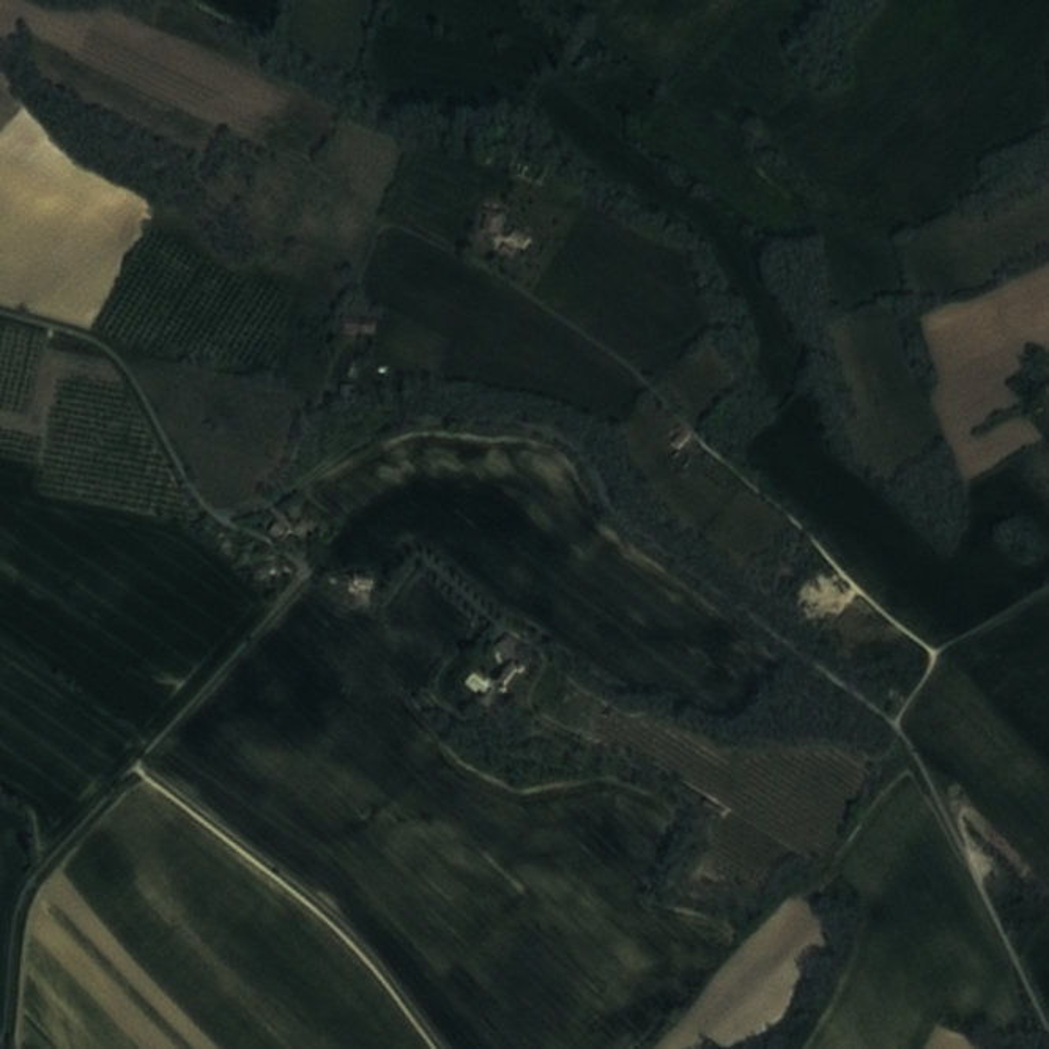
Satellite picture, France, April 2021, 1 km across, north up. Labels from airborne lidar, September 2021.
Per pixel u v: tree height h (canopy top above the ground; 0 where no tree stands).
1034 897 6
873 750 16
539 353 0
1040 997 0
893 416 0
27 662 0
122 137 12
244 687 0
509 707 18
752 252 0
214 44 0
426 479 0
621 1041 0
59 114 22
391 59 0
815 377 20
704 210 0
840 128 0
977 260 0
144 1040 0
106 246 0
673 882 15
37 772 0
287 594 0
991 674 0
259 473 0
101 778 0
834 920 20
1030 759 0
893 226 0
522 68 0
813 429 0
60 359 0
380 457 0
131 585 0
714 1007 0
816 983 17
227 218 13
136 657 0
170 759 0
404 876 0
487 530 0
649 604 0
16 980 0
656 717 14
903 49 0
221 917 0
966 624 0
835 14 16
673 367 0
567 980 0
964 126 0
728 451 14
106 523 0
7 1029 0
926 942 0
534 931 0
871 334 0
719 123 0
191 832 0
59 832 0
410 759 0
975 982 0
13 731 0
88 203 0
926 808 0
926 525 9
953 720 0
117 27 0
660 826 0
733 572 14
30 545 0
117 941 0
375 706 0
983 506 0
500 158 13
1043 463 0
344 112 18
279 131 0
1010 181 14
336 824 0
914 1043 0
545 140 17
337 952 0
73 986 0
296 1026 0
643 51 0
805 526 8
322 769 0
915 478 15
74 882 0
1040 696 0
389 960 0
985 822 0
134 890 0
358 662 0
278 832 0
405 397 24
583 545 0
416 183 0
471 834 0
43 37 0
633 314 0
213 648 0
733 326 14
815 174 0
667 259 0
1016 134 0
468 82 0
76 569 0
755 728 20
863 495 0
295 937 0
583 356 0
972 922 0
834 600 0
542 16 21
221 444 0
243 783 0
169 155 11
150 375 0
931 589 0
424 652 0
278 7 11
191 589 0
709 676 0
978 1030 20
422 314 0
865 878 0
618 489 18
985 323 0
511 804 0
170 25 0
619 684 0
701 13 0
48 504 0
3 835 0
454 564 0
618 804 0
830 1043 0
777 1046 9
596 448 20
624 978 0
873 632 0
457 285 0
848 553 0
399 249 0
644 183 0
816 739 16
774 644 17
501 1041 0
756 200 0
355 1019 0
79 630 0
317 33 0
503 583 0
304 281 0
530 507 0
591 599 0
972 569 0
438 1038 0
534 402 18
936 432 0
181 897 0
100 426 6
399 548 0
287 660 0
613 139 0
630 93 0
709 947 0
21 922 0
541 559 0
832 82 19
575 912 0
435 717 14
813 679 22
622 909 0
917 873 0
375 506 0
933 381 15
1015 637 0
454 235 0
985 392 0
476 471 0
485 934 0
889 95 0
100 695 0
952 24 0
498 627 11
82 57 0
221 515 0
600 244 0
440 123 21
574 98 0
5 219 0
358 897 0
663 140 0
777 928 0
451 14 0
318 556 17
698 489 0
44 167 0
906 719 0
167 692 0
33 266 0
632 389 0
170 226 0
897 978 0
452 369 0
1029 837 0
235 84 0
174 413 0
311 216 0
